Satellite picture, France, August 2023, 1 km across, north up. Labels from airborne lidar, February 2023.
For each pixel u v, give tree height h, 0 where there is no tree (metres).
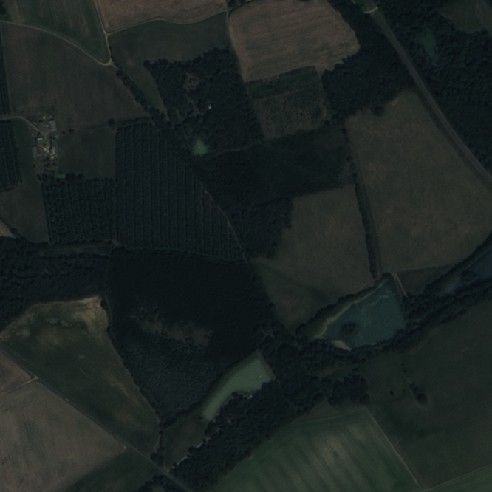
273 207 17
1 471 0
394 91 19
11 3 0
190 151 6
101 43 0
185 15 0
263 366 0
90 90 0
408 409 0
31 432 0
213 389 21
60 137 0
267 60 0
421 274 0
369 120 0
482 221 0
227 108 15
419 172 0
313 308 0
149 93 0
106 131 0
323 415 0
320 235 0
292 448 0
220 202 7
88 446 0
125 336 9
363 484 0
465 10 0
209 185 7
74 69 0
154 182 12
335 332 0
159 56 0
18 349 0
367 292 9
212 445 7
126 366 11
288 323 0
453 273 12
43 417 0
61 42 0
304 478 0
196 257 9
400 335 12
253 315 10
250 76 0
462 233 0
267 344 19
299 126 16
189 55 0
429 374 0
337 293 0
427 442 0
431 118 0
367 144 0
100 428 0
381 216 0
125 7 0
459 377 0
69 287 13
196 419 0
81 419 0
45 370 0
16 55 0
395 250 0
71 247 9
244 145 14
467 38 25
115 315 6
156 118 17
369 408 0
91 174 0
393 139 0
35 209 0
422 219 0
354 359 12
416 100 0
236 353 11
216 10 0
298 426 0
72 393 0
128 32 0
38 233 0
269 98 17
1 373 0
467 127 19
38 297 17
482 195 0
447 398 0
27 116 0
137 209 12
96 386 0
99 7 0
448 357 0
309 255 0
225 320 8
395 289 8
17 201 0
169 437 0
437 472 0
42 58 0
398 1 34
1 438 0
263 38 0
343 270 0
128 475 0
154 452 0
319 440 0
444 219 0
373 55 24
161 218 11
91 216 12
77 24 0
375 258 11
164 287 10
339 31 0
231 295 7
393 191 0
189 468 12
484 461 0
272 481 0
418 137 0
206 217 9
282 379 14
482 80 20
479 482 0
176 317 8
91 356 0
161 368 8
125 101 0
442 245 0
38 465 0
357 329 9
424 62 18
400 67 27
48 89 0
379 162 0
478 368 0
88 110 0
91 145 0
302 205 0
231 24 0
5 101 12
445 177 0
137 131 11
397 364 0
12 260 22
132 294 10
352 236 0
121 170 10
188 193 11
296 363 15
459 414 0
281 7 0
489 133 27
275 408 16
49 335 0
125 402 0
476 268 0
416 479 0
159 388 7
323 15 0
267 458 0
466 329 0
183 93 22
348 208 0
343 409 0
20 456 0
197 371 7
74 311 0
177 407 7
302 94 18
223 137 19
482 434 0
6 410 0
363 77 21
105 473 0
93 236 7
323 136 0
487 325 0
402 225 0
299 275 0
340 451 0
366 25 19
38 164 0
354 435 0
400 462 0
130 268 10
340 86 19
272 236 18
